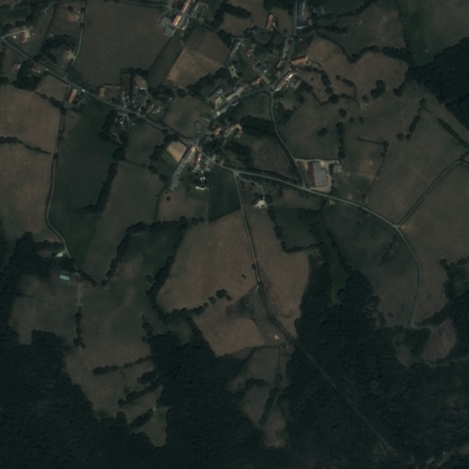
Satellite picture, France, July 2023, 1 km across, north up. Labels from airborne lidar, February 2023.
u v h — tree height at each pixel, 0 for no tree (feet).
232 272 0
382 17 0
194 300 0
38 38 0
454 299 45
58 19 0
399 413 53
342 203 0
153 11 0
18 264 54
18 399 72
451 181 0
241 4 0
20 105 0
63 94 0
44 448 86
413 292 0
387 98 0
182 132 0
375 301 29
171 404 61
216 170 0
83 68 0
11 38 0
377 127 0
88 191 0
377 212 0
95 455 60
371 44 0
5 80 45
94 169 0
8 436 80
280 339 0
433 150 0
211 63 0
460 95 93
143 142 0
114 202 0
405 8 0
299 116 0
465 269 0
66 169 0
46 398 44
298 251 26
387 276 0
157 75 0
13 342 47
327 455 20
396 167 0
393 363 49
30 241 42
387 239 0
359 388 92
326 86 55
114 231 0
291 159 45
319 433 25
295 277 0
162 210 0
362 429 49
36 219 0
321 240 0
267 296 0
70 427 40
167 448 52
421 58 0
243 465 32
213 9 0
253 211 0
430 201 0
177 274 0
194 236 0
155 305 20
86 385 0
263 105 0
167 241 0
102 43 0
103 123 0
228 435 57
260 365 0
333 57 0
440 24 0
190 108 0
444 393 30
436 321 34
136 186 0
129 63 0
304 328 59
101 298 0
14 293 49
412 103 0
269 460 31
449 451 42
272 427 0
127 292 0
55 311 0
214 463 80
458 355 27
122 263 34
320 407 66
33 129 0
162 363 69
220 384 38
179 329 0
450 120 0
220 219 0
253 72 0
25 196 0
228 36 46
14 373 61
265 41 0
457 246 0
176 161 0
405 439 31
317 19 42
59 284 0
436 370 30
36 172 0
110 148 0
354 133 0
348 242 0
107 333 0
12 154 0
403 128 0
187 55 0
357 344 84
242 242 0
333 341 75
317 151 0
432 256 0
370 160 0
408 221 0
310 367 58
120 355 0
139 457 63
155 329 0
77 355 0
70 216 0
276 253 0
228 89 0
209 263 0
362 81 0
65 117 0
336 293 0
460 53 47
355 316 72
